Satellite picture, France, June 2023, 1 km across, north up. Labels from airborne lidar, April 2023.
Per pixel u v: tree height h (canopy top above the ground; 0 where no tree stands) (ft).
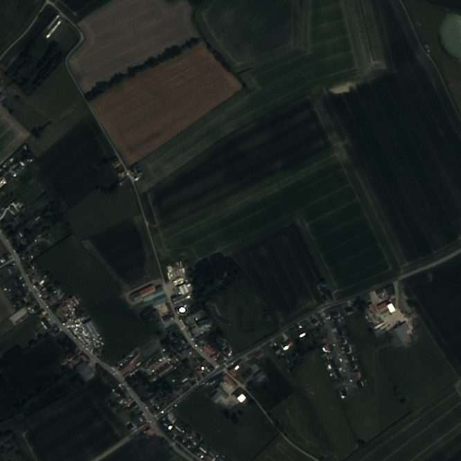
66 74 0
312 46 0
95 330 0
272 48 0
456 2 0
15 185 0
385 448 0
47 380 0
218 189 0
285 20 0
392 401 0
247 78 0
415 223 0
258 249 0
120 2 0
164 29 0
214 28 0
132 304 0
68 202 0
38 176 0
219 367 0
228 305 0
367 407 0
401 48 0
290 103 0
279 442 0
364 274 0
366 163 0
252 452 0
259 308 0
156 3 0
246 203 0
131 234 0
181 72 0
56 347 0
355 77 0
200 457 0
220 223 0
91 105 0
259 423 0
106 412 0
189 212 0
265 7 0
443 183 0
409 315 0
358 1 0
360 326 0
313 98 0
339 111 0
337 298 0
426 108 0
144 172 0
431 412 0
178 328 0
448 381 0
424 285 0
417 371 0
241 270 0
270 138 0
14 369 0
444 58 0
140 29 0
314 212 0
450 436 0
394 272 0
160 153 0
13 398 56
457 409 0
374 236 0
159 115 0
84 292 0
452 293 0
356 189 0
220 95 0
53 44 52
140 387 0
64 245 0
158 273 0
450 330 0
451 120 0
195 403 0
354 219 0
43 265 0
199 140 0
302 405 0
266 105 0
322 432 0
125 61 0
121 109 0
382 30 0
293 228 0
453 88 0
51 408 0
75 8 0
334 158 0
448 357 0
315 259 0
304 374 0
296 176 0
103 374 0
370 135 0
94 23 0
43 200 0
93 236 0
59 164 0
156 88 0
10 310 0
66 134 0
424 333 0
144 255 0
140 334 0
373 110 0
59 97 0
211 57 0
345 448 0
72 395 0
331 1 0
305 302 0
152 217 0
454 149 0
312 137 0
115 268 0
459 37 0
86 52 0
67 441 0
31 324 0
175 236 0
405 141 0
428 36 0
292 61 0
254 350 0
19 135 0
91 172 0
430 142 0
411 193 0
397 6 0
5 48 0
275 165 0
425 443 0
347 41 0
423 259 0
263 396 0
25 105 0
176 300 0
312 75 0
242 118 0
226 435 0
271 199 0
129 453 0
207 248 0
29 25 0
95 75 0
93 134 0
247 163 0
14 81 28
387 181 0
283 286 0
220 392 0
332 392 0
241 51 0
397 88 0
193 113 0
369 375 0
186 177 0
